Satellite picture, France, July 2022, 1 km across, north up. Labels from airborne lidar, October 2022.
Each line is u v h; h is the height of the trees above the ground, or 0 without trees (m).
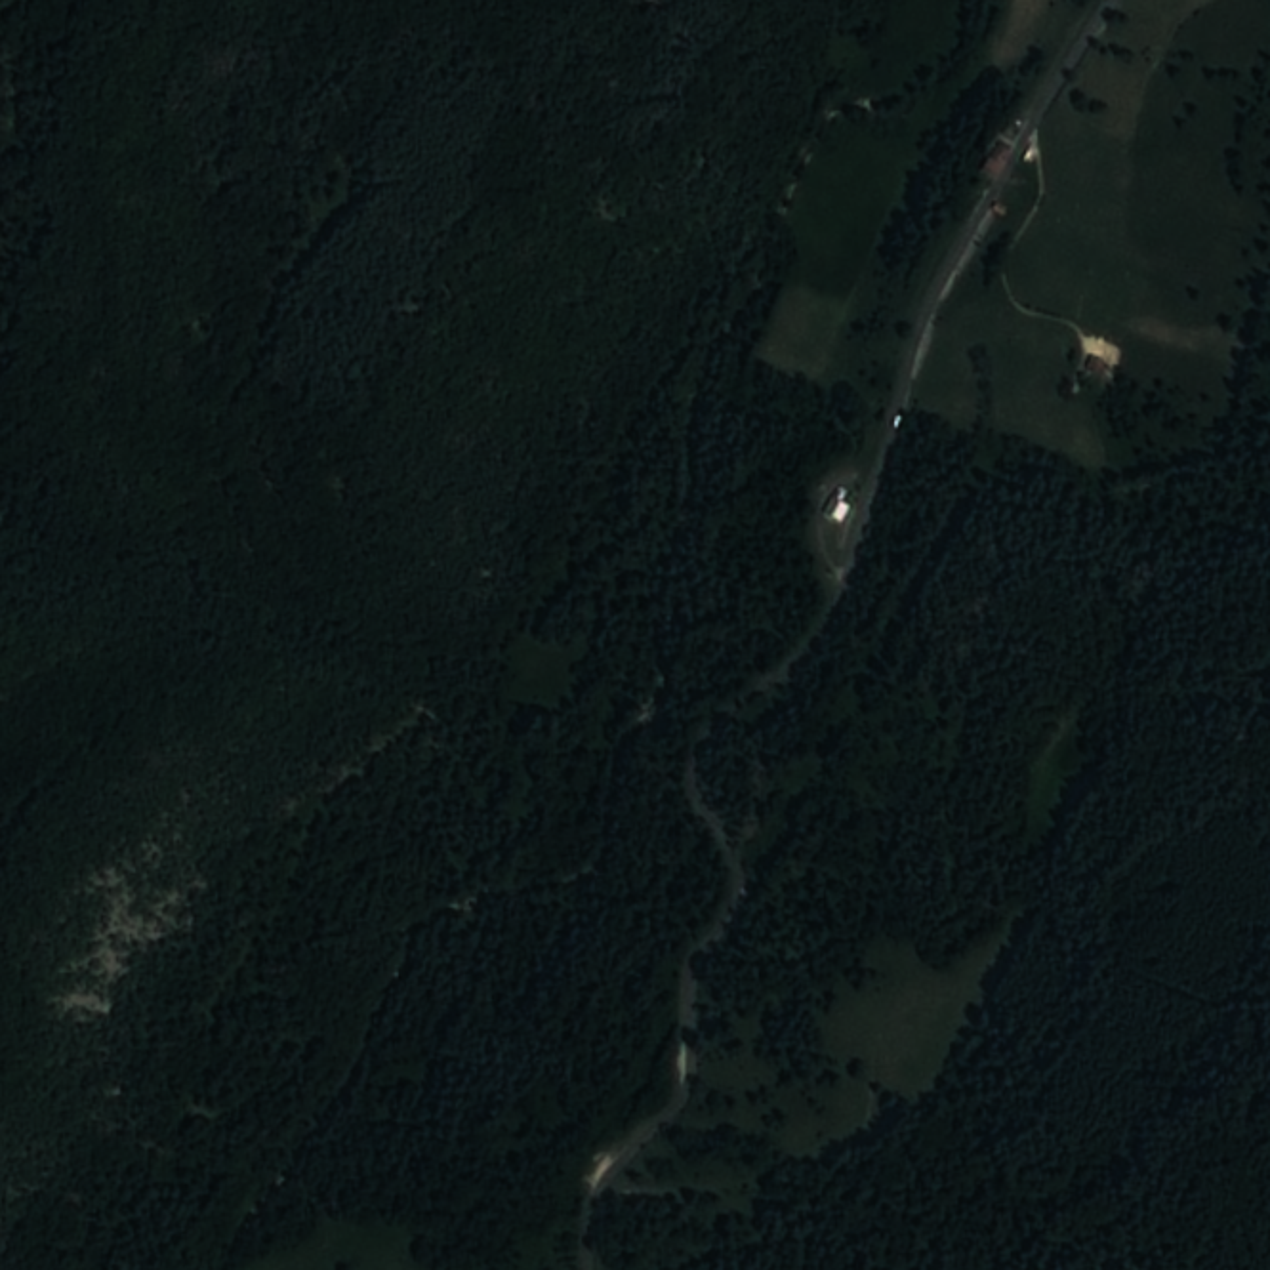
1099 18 0
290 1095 17
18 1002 15
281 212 23
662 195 20
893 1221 28
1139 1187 33
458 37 23
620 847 29
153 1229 15
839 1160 21
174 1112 20
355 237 32
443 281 17
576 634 23
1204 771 25
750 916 20
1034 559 37
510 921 28
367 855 25
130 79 16
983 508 25
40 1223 23
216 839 9
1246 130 13
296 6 17
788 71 23
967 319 0
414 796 21
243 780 13
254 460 28
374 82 24
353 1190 16
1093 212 0
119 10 16
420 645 15
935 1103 15
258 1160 19
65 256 23
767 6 19
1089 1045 27
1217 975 18
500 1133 15
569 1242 12
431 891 21
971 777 19
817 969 21
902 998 0
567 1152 21
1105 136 0
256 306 21
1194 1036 14
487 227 21
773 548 11
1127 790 37
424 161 33
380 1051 20
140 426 20
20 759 22
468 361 14
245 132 29
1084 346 0
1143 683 27
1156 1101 23
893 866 23
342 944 26
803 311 0
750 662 18
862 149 0
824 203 0
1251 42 0
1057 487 25
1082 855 24
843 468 0
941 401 0
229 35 13
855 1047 0
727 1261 23
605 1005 18
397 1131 17
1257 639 31
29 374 21
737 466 37
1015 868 26
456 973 25
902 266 27
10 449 25
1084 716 14
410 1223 24
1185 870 22
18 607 14
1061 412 0
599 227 11
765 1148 22
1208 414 0
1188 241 0
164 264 14
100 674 16
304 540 30
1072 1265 33
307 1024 25
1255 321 18
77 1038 14
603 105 24
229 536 19
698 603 27
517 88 25
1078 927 31
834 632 16
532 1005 27
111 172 10
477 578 13
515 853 21
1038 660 23
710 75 25
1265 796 25
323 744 16
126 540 18
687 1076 0
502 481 14
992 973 0
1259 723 29
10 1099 15
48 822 15
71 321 22
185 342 15
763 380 16
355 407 30
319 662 24
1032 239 0
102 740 25
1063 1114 26
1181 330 0
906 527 6
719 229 8
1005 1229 19
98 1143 16
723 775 19
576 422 20
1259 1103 17
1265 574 31
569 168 18
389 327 23
